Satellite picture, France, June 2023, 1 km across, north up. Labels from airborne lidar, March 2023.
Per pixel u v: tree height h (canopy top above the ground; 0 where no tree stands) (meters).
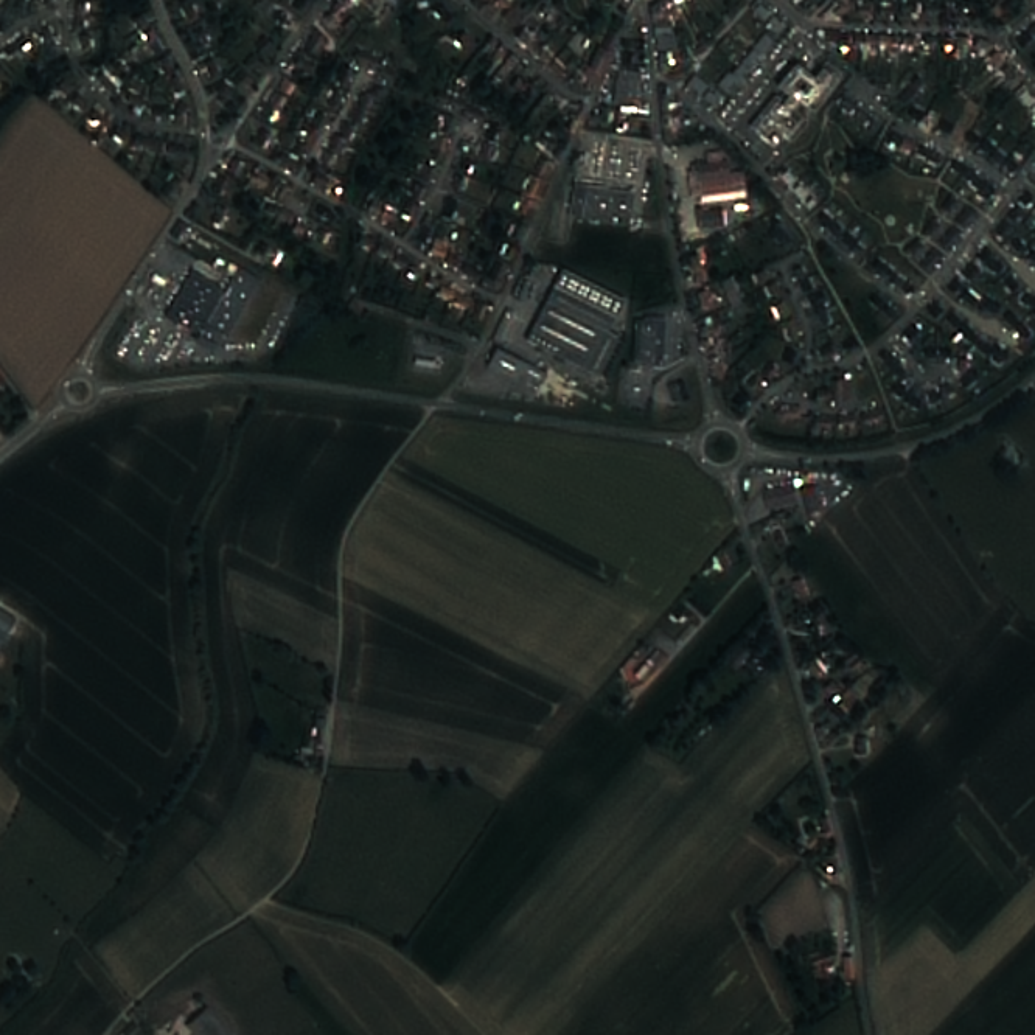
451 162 0
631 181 0
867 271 0
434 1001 0
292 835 0
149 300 0
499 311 0
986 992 0
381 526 0
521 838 0
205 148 0
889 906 0
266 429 0
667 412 0
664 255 0
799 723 0
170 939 0
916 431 0
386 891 0
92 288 0
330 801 0
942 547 0
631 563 0
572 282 0
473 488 0
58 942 0
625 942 0
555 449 0
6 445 0
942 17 6
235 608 0
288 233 9
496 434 0
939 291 0
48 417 0
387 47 0
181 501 0
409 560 0
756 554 0
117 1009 0
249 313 0
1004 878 0
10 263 0
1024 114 0
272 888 0
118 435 0
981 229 0
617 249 0
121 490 0
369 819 0
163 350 0
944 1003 0
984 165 0
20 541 0
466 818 0
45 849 0
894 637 0
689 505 0
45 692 0
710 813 0
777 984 0
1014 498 0
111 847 0
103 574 0
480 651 0
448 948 0
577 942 0
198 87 0
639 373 0
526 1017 0
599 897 0
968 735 0
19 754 0
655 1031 0
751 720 0
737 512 0
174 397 0
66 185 0
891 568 0
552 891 0
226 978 0
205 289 0
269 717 0
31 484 0
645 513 0
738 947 0
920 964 0
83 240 0
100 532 0
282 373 0
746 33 0
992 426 8
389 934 0
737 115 0
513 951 0
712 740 0
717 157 0
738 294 0
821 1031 0
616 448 0
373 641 0
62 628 0
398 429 0
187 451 0
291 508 0
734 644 8
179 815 0
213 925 0
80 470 0
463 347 0
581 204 0
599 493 0
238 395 0
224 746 0
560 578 0
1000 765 0
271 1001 0
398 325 0
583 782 0
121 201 0
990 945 0
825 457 0
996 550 0
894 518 0
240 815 0
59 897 0
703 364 0
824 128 0
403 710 0
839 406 0
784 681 0
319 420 0
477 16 0
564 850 0
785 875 0
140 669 0
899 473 0
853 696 0
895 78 0
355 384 0
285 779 0
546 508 0
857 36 0
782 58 0
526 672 0
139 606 0
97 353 0
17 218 0
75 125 0
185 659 0
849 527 0
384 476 0
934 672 0
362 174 12
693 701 9
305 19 0
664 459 0
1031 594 0
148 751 0
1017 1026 0
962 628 0
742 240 0
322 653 0
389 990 0
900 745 0
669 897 0
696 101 0
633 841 0
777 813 12
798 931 0
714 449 0
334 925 0
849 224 0
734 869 0
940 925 0
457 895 0
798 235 0
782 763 0
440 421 0
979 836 0
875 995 0
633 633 0
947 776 0
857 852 0
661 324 0
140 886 0
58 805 0
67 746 0
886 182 0
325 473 0
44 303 0
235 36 9
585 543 0
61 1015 0
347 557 0
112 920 0
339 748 0
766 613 6
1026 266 0
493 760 0
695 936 0
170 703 0
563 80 0
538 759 0
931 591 0
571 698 0
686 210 0
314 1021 0
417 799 0
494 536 0
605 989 0
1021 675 0
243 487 0
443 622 0
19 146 0
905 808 0
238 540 0
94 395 0
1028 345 0
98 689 0
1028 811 0
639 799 0
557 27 0
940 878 0
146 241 0
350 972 0
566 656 0
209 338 0
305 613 0
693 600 8
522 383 0
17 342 0
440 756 0
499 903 0
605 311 0
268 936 0
